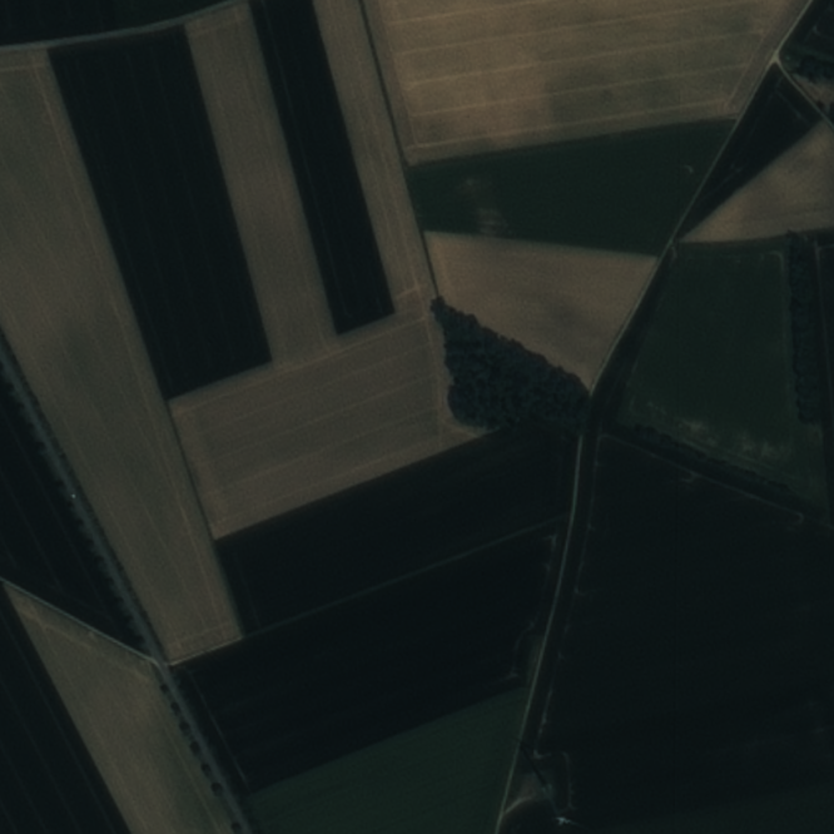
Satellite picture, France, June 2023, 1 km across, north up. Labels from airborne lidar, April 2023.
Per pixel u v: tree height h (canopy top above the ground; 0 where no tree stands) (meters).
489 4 0
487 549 0
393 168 0
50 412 0
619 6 0
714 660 0
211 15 0
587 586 0
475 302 0
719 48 0
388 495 0
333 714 0
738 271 0
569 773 0
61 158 0
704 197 0
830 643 0
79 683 0
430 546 0
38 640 0
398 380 0
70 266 0
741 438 0
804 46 0
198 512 0
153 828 0
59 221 0
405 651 0
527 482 0
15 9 0
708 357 0
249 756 0
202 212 0
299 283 0
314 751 0
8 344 10
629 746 0
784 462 0
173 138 0
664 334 0
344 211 0
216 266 0
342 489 0
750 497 0
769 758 0
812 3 0
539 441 0
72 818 0
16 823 0
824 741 0
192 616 0
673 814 0
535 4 0
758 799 0
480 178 0
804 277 18
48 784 0
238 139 0
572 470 0
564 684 0
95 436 0
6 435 0
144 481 0
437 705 0
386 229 0
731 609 0
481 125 0
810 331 16
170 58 0
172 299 0
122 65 0
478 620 0
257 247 0
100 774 0
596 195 0
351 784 0
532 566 0
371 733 0
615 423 0
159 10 0
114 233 0
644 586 0
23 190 0
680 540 0
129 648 0
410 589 0
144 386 0
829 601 0
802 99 0
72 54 0
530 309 0
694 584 0
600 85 0
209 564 0
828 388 0
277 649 0
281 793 0
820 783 0
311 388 0
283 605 0
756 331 0
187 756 0
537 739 0
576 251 0
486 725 0
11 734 0
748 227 0
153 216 0
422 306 0
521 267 0
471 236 0
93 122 0
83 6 0
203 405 0
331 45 0
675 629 0
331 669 0
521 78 0
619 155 0
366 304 0
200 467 0
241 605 0
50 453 0
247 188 0
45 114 0
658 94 0
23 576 0
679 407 0
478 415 19
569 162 0
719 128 0
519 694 0
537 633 0
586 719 0
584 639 0
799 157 0
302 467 0
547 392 9
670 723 0
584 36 0
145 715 0
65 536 0
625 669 0
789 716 0
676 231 0
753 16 0
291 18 0
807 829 0
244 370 0
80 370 0
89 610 0
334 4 0
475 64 0
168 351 0
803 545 0
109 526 0
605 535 0
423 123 0
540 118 0
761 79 0
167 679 0
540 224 0
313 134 0
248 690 0
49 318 0
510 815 0
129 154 0
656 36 0
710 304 0
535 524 0
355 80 0
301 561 0
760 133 0
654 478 0
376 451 0
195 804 0
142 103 0
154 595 0
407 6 0
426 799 0
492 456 0
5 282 0
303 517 0
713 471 0
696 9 0
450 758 0
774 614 0
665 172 0
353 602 0
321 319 0
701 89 0
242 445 0
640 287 0
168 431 0
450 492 0
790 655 0
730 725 0
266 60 0
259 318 0
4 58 0
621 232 0
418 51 0
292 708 0
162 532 0
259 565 0
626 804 0
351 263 0
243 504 0
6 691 0
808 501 0
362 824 0
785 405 0
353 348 0
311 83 0
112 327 0
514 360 14
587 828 0
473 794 0
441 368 0
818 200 0
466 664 0
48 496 0
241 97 0
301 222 0
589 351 0
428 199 0
